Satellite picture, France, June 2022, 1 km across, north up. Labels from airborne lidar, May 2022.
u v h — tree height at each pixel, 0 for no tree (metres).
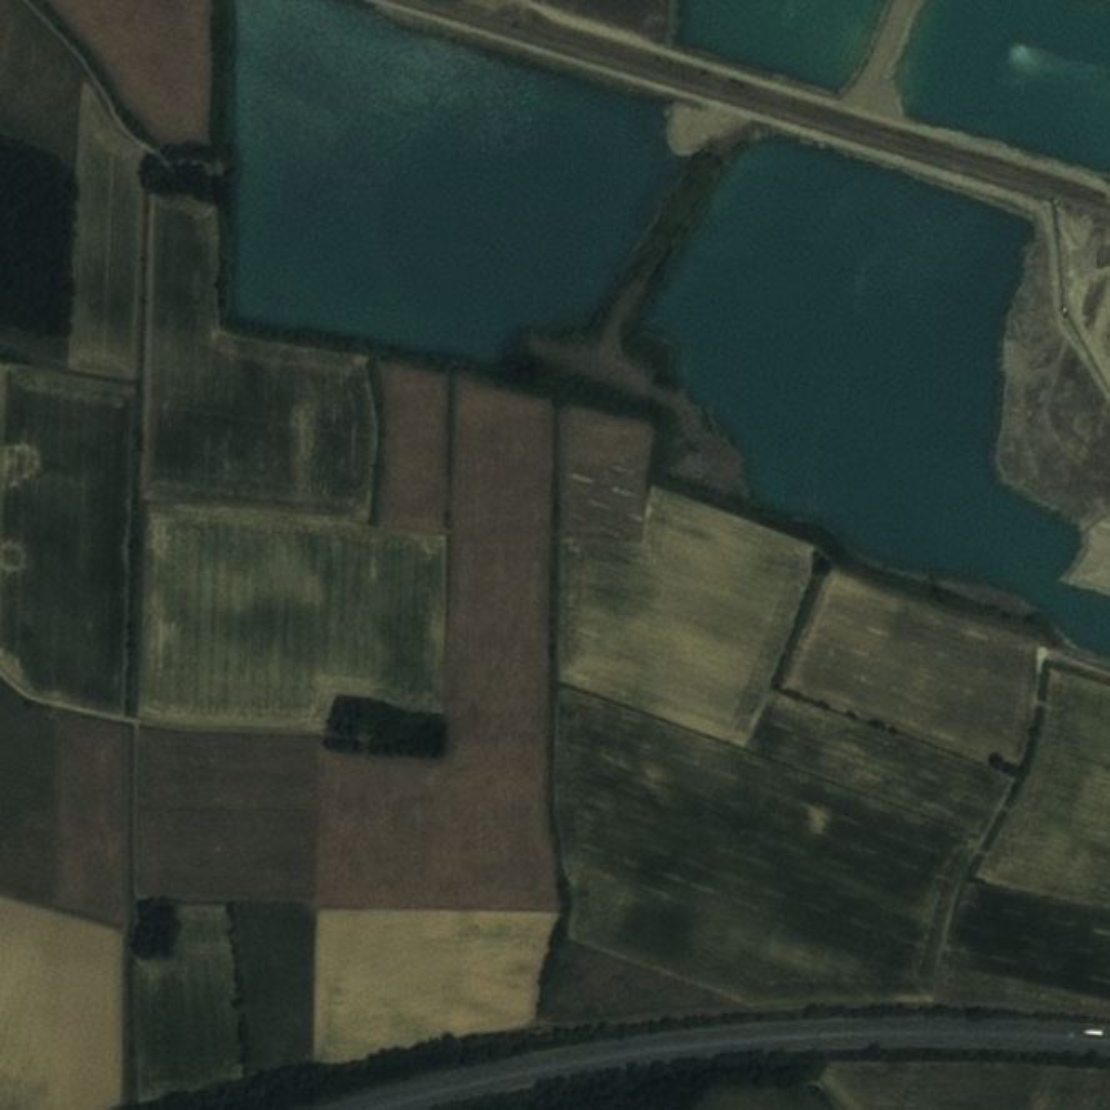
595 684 0
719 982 0
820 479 0
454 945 0
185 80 0
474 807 0
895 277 0
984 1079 0
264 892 0
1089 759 0
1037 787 0
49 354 0
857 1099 0
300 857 0
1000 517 0
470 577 0
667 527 0
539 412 0
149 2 0
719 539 0
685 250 0
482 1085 0
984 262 0
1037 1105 0
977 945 0
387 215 0
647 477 0
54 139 0
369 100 0
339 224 0
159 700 0
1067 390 0
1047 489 0
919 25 0
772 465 0
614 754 0
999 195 0
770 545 0
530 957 0
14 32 0
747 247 0
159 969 0
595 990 0
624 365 0
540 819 0
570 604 0
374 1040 0
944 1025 0
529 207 0
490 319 0
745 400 0
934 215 0
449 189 0
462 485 0
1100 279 0
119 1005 0
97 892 0
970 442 0
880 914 0
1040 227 0
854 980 0
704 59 0
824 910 0
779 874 0
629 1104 16
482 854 0
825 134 0
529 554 0
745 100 0
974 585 0
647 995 0
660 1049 0
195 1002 0
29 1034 0
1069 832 0
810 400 0
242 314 0
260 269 0
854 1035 0
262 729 0
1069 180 0
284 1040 0
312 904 0
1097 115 0
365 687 0
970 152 0
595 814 0
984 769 0
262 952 0
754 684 0
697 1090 17
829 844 0
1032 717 0
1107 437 0
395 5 0
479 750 0
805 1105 0
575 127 0
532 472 0
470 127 0
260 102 0
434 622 0
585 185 0
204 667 0
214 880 0
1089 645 0
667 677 0
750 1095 0
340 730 15
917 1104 0
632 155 0
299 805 0
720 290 0
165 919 19
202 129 0
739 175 0
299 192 0
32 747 0
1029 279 0
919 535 0
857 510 0
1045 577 0
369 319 0
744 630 0
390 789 0
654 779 0
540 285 0
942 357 0
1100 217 0
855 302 0
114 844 0
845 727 0
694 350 0
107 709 0
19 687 0
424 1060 15
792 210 0
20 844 0
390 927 0
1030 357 0
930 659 0
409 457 0
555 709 0
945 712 0
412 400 0
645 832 0
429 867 0
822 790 0
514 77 0
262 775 0
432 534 0
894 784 0
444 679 0
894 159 0
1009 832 0
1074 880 0
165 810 0
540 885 0
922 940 0
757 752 0
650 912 0
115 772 0
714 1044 0
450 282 0
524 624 0
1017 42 0
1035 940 0
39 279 20
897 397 0
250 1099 16
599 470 0
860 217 0
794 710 0
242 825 0
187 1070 0
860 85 0
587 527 0
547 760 0
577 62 0
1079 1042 0
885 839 0
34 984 0
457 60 0
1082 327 0
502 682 0
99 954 0
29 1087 0
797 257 0
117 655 0
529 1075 0
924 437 0
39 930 0
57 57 0
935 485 0
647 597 0
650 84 0
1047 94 0
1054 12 0
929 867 0
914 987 0
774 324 0
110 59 0
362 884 0
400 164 0
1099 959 0
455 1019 0
